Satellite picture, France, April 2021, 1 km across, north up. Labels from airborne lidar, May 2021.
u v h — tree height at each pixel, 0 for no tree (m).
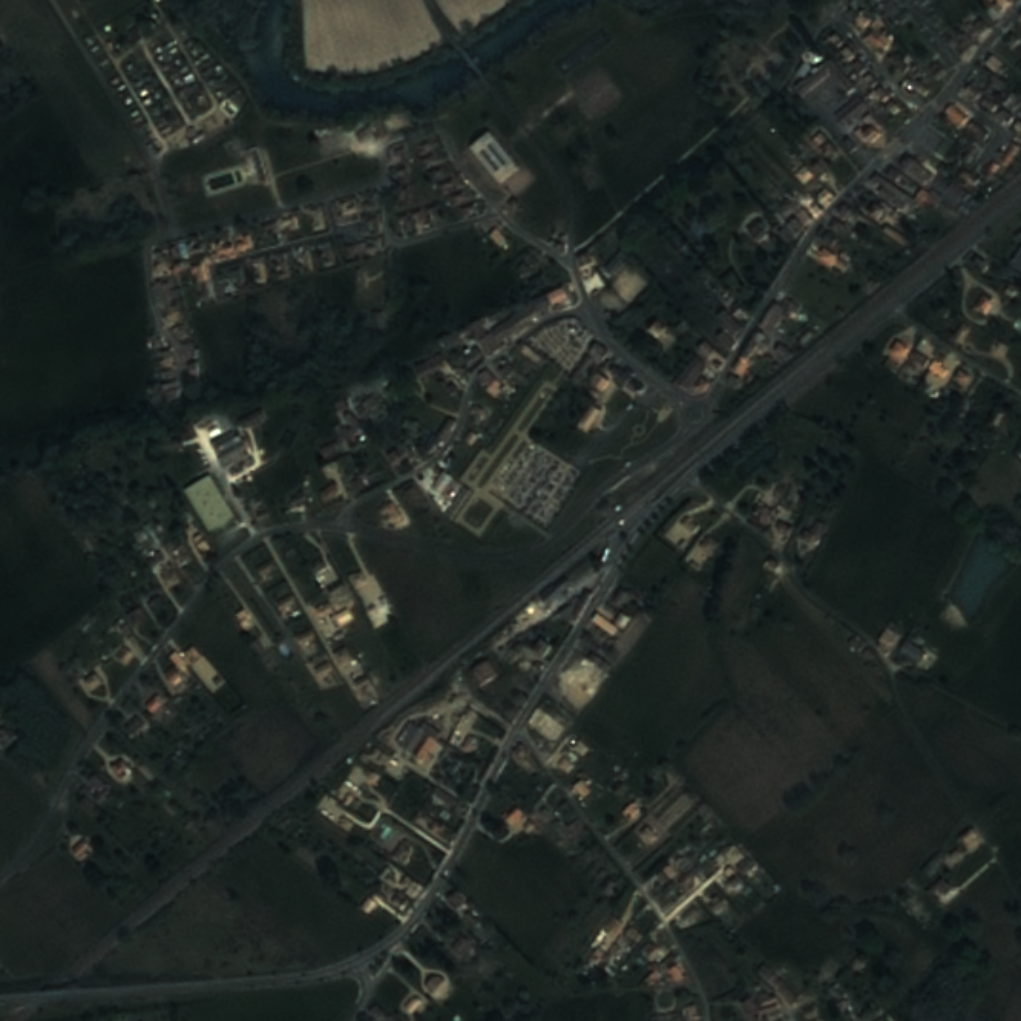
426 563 0
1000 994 0
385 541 0
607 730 0
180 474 0
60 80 0
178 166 0
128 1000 7
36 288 0
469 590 0
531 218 0
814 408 0
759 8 23
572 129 25
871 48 0
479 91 15
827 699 0
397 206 11
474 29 13
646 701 0
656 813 0
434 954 15
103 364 0
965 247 0
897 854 0
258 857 0
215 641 0
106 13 0
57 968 0
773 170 0
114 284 0
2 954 0
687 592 0
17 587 0
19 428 0
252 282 8
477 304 0
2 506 0
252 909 0
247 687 0
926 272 0
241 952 0
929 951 0
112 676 0
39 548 0
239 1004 0
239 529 0
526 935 0
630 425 0
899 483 0
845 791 0
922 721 0
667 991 0
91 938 0
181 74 6
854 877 0
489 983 7
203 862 0
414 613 0
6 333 0
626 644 0
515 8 11
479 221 0
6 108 11
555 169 0
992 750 0
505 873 0
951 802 0
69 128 0
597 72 0
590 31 0
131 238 20
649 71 0
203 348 0
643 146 0
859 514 0
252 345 6
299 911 0
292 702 0
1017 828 0
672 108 0
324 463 13
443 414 0
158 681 5
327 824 0
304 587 0
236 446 0
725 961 0
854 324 0
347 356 15
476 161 0
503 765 0
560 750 0
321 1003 0
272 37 0
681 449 0
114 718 11
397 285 15
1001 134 0
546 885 0
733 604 0
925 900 0
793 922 0
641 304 9
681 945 0
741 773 0
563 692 0
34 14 0
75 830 11
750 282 11
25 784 0
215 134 0
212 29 15
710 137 0
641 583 0
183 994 0
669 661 0
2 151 0
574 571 0
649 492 0
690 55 0
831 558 0
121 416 14
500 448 0
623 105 0
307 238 0
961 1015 13
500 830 17
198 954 0
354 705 0
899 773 0
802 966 0
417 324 11
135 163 0
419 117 11
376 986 0
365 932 0
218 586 9
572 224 0
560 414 7
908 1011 11
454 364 8
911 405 0
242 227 11
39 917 0
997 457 0
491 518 0
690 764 0
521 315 0
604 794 0
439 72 0
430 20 0
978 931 17
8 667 0
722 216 24
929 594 0
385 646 0
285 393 17
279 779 0
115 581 12
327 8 0
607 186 0
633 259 13
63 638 0
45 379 0
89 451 11
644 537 9
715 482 15
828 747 0
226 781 0
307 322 7
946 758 0
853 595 0
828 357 0
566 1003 0
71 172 0
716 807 0
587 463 0
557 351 0
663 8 15
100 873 13
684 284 9
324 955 0
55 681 0
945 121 6
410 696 0
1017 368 0
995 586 0
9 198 0
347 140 0
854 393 0
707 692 0
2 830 0
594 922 0
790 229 0
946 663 0
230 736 0
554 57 0
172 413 0
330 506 0
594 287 0
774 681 0
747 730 0
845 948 0
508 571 0
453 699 0
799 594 0
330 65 0
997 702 0
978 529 15
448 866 0
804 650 0
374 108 19
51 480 11
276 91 0
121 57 10
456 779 7
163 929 0
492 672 0
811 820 0
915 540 0
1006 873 0
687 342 10
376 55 0
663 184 0
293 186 0
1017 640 0
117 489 9
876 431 0
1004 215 0
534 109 0
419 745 0
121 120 0
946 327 0
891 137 0
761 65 0
